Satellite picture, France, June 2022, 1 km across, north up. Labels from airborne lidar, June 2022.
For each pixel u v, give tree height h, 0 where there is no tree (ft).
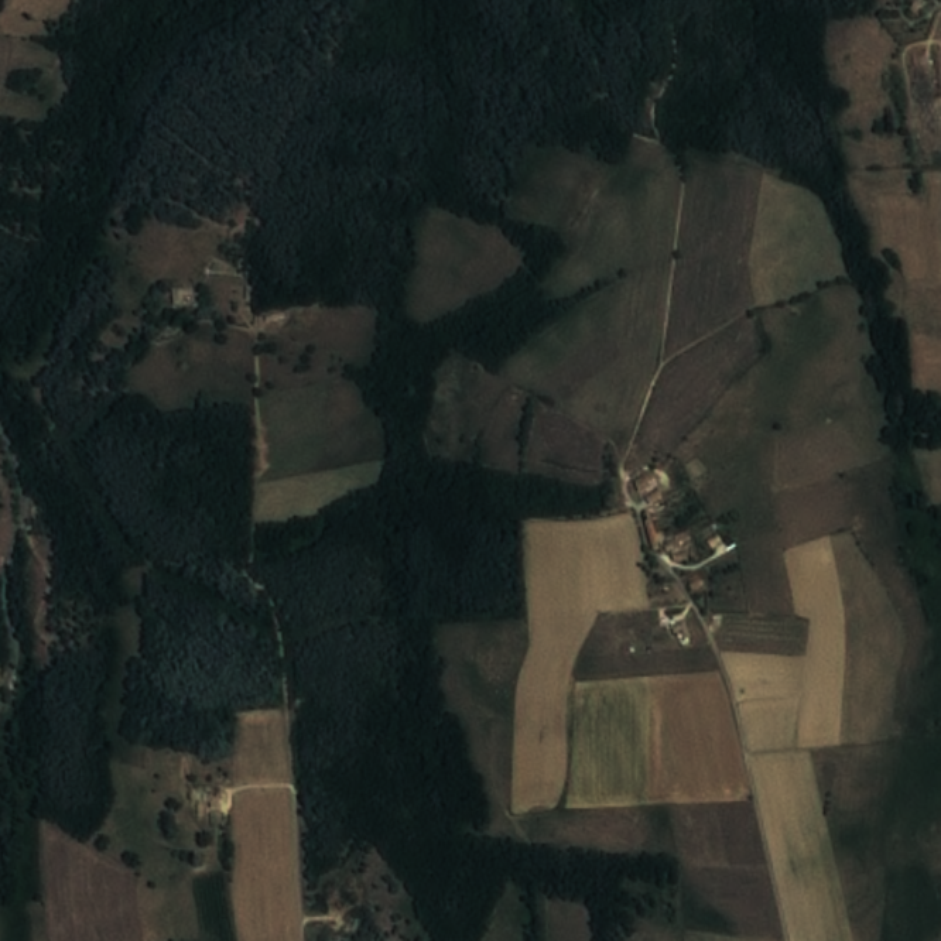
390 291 61
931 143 0
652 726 0
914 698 0
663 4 70
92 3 37
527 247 55
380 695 32
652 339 0
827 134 76
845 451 0
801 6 34
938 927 0
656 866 50
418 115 63
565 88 61
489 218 52
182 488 48
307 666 40
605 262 0
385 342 53
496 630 0
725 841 0
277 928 0
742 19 39
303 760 34
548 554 0
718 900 0
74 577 58
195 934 0
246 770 0
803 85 41
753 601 0
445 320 24
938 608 0
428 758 67
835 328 0
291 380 0
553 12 76
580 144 56
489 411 0
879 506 0
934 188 0
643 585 0
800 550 0
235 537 50
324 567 45
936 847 0
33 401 62
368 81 61
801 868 0
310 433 0
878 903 0
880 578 0
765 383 0
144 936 0
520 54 50
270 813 0
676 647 0
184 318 46
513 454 0
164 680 49
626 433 0
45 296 60
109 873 0
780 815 0
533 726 0
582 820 0
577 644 0
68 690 72
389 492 55
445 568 61
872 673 0
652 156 0
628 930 46
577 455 0
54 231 49
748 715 0
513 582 52
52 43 43
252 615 46
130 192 67
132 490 54
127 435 56
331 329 0
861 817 0
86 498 49
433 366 22
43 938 0
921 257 0
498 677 0
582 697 0
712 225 0
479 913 52
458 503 52
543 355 0
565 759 0
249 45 93
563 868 39
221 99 94
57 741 48
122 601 53
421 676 34
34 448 80
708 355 0
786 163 23
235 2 49
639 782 0
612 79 52
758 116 44
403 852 39
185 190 89
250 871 0
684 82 24
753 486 0
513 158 45
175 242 0
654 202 0
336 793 38
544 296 28
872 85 0
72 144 28
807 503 0
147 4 34
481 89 63
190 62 79
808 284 0
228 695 52
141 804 0
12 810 51
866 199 0
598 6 55
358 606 45
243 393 0
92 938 0
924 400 35
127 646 0
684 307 0
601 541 0
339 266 54
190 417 59
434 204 52
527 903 66
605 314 0
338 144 68
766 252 0
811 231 0
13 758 63
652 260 0
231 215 70
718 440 0
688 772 0
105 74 28
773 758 0
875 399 0
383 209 58
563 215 0
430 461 27
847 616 0
